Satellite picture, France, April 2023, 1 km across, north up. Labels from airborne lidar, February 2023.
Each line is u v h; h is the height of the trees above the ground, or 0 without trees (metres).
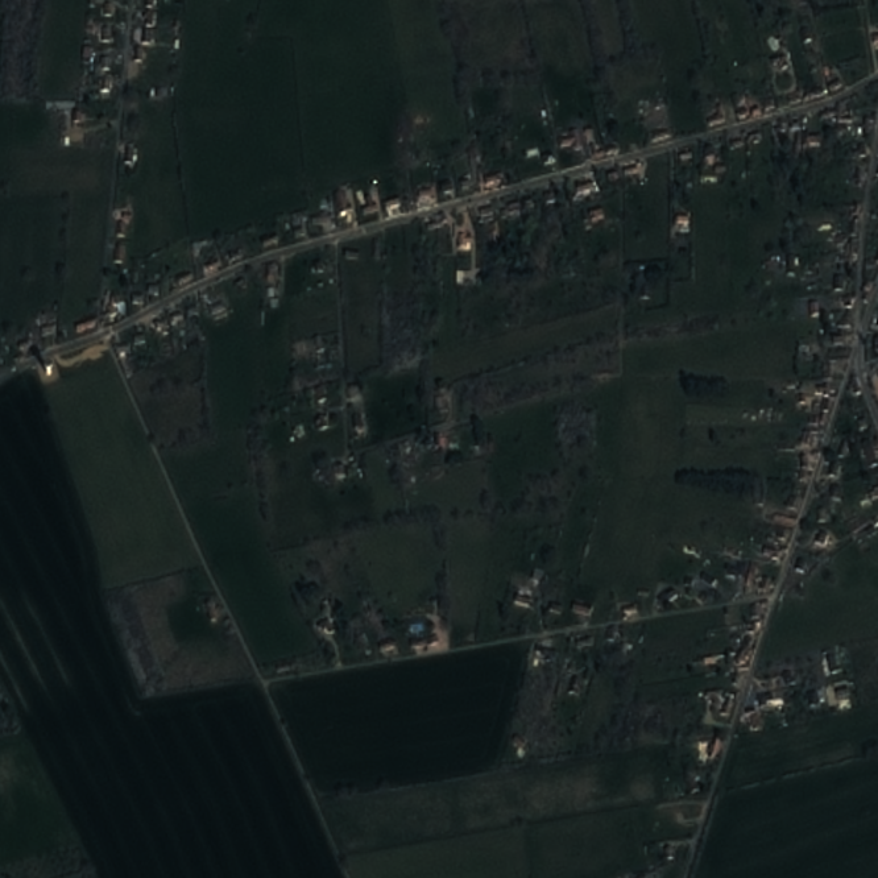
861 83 0
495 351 0
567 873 0
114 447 0
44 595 0
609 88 8
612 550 0
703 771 7
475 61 0
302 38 0
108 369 0
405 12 0
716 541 0
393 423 0
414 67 0
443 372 0
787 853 0
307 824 0
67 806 0
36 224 0
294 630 0
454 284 0
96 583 0
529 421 0
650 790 0
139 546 0
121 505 0
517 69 0
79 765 0
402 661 0
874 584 0
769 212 0
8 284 0
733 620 0
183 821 0
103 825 0
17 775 0
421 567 0
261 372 0
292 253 0
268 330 0
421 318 6
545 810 0
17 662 0
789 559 0
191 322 7
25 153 0
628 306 10
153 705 0
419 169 0
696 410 0
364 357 0
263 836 0
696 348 0
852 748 0
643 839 0
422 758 0
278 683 0
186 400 0
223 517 0
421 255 14
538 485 14
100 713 0
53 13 0
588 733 0
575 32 0
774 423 0
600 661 14
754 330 0
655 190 0
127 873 0
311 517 0
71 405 0
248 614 0
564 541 0
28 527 0
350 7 0
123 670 0
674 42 0
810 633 0
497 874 0
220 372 0
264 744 0
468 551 0
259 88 0
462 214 0
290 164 0
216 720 0
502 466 0
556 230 14
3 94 7
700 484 14
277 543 0
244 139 0
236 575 0
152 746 0
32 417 0
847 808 0
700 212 0
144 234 0
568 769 0
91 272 0
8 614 0
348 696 0
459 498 0
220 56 0
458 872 0
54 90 0
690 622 0
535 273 19
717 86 0
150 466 0
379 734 0
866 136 12
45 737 0
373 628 0
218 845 0
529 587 0
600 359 6
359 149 0
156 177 0
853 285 0
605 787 0
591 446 14
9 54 10
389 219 0
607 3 0
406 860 0
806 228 11
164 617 0
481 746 0
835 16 0
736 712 0
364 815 0
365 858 0
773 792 0
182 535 0
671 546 0
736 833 0
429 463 0
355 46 0
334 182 0
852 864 0
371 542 0
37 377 0
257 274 11
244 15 0
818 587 0
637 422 0
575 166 0
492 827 0
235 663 0
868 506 0
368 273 0
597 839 0
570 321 0
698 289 0
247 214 0
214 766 0
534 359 9
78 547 0
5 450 0
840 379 0
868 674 0
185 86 0
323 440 0
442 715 0
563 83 0
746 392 0
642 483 0
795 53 0
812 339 0
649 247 0
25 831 0
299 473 0
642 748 0
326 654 9
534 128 0
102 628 0
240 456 0
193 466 0
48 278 0
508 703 0
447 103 0
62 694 0
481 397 15
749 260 0
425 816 0
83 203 0
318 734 0
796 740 0
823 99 0
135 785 0
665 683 0
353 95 0
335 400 0
